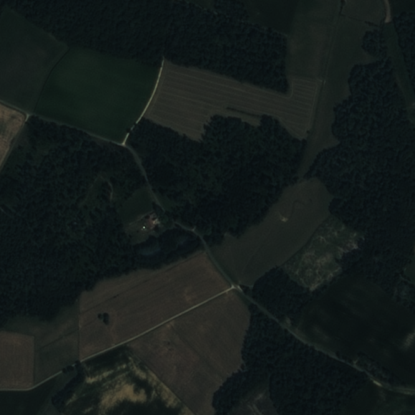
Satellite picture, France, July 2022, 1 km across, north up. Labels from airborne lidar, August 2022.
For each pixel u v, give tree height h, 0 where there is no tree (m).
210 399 0
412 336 0
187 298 0
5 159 0
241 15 19
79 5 24
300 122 0
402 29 11
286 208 0
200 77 0
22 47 0
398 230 25
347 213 22
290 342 22
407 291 20
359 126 20
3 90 0
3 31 0
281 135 22
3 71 0
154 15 22
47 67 0
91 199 0
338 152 23
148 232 0
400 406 0
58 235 19
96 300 0
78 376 10
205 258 0
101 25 24
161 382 0
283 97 0
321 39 0
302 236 0
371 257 16
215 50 23
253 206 26
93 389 0
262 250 0
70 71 0
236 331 0
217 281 0
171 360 0
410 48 24
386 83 25
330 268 0
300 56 0
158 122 0
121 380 0
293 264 0
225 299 0
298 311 26
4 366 0
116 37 21
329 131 0
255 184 23
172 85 0
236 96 0
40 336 0
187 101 0
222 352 0
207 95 0
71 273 29
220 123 16
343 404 17
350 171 7
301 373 27
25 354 0
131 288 0
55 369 0
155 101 0
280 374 18
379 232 18
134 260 20
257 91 0
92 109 0
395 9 0
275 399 19
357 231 12
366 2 0
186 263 0
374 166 18
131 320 0
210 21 23
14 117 0
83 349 0
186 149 22
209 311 0
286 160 20
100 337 0
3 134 0
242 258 0
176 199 22
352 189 19
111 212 26
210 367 0
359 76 19
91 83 0
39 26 15
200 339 0
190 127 0
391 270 23
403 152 25
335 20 0
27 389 0
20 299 21
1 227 12
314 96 0
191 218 16
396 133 27
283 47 12
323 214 0
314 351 22
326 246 0
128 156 13
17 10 17
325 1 0
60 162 11
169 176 23
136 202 0
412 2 0
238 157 25
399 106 8
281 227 0
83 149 15
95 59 0
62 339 0
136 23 22
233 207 19
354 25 0
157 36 18
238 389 22
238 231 18
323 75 0
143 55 22
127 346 0
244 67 22
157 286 0
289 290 23
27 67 0
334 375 26
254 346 29
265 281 17
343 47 0
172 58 17
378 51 16
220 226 24
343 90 0
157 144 24
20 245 14
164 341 0
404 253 20
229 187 21
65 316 0
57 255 23
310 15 0
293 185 13
